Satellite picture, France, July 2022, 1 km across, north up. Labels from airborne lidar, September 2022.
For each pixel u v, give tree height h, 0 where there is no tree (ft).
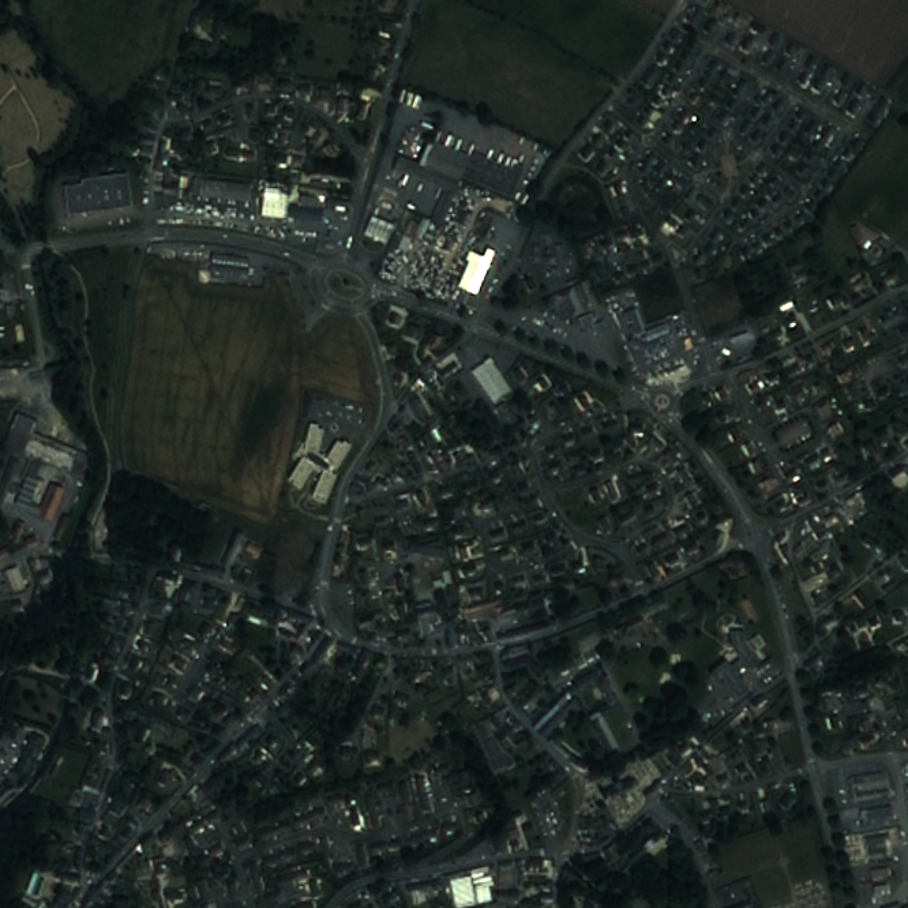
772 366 32
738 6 0
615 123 0
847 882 45
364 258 0
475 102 0
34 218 26
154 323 0
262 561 0
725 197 0
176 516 58
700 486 33
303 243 0
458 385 24
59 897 51
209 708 30
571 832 0
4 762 0
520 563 0
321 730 25
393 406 0
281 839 0
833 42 0
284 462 0
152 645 0
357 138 34
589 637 0
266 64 64
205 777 0
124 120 80
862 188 0
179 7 0
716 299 0
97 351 0
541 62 0
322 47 0
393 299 0
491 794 51
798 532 0
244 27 32
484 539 0
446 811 0
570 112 0
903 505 23
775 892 0
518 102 0
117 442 0
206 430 0
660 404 0
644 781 0
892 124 0
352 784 25
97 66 0
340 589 0
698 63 0
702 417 30
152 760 24
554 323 0
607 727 0
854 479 32
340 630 0
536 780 30
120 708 23
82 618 50
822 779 0
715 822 20
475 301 0
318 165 29
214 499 0
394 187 0
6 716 27
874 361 0
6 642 51
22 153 0
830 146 0
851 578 0
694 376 0
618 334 0
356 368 0
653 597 28
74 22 0
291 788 26
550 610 20
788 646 0
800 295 0
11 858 116
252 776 34
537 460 0
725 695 0
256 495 0
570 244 33
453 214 0
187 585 26
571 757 0
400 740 0
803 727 0
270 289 0
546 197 0
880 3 0
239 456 0
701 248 0
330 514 0
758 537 0
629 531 0
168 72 24
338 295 0
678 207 0
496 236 0
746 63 20
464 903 0
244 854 0
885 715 0
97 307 0
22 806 78
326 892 0
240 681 32
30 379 0
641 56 0
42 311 28
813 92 0
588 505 21
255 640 0
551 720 0
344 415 0
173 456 0
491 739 0
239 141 0
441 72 0
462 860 0
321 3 0
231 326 0
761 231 0
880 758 0
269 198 0
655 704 36
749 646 0
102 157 53
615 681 0
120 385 0
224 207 0
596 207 0
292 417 0
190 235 0
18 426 0
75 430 51
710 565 22
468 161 0
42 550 0
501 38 0
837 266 0
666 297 0
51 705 0
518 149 0
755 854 0
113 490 50
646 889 74
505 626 0
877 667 37
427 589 0
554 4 0
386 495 0
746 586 0
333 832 0
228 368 0
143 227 0
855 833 0
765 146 0
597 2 0
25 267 0
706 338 0
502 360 0
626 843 59
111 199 0
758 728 17
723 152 0
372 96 0
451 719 41
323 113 0
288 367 0
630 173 0
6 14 30
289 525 0
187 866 27
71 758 0
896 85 0
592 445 0
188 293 0
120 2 0
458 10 0
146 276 0
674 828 29
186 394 0
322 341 0
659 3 0
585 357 48
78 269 0
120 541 63
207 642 0
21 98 0
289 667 38
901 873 0
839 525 0
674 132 0
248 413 0
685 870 62
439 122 31
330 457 0
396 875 0
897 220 0
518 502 23
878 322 0
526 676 26
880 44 0
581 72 0
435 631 0
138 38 0
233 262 0
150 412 0
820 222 47
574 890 58
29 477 0
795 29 0
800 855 0
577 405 0
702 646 0
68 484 0
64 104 0
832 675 24
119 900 44
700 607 55
